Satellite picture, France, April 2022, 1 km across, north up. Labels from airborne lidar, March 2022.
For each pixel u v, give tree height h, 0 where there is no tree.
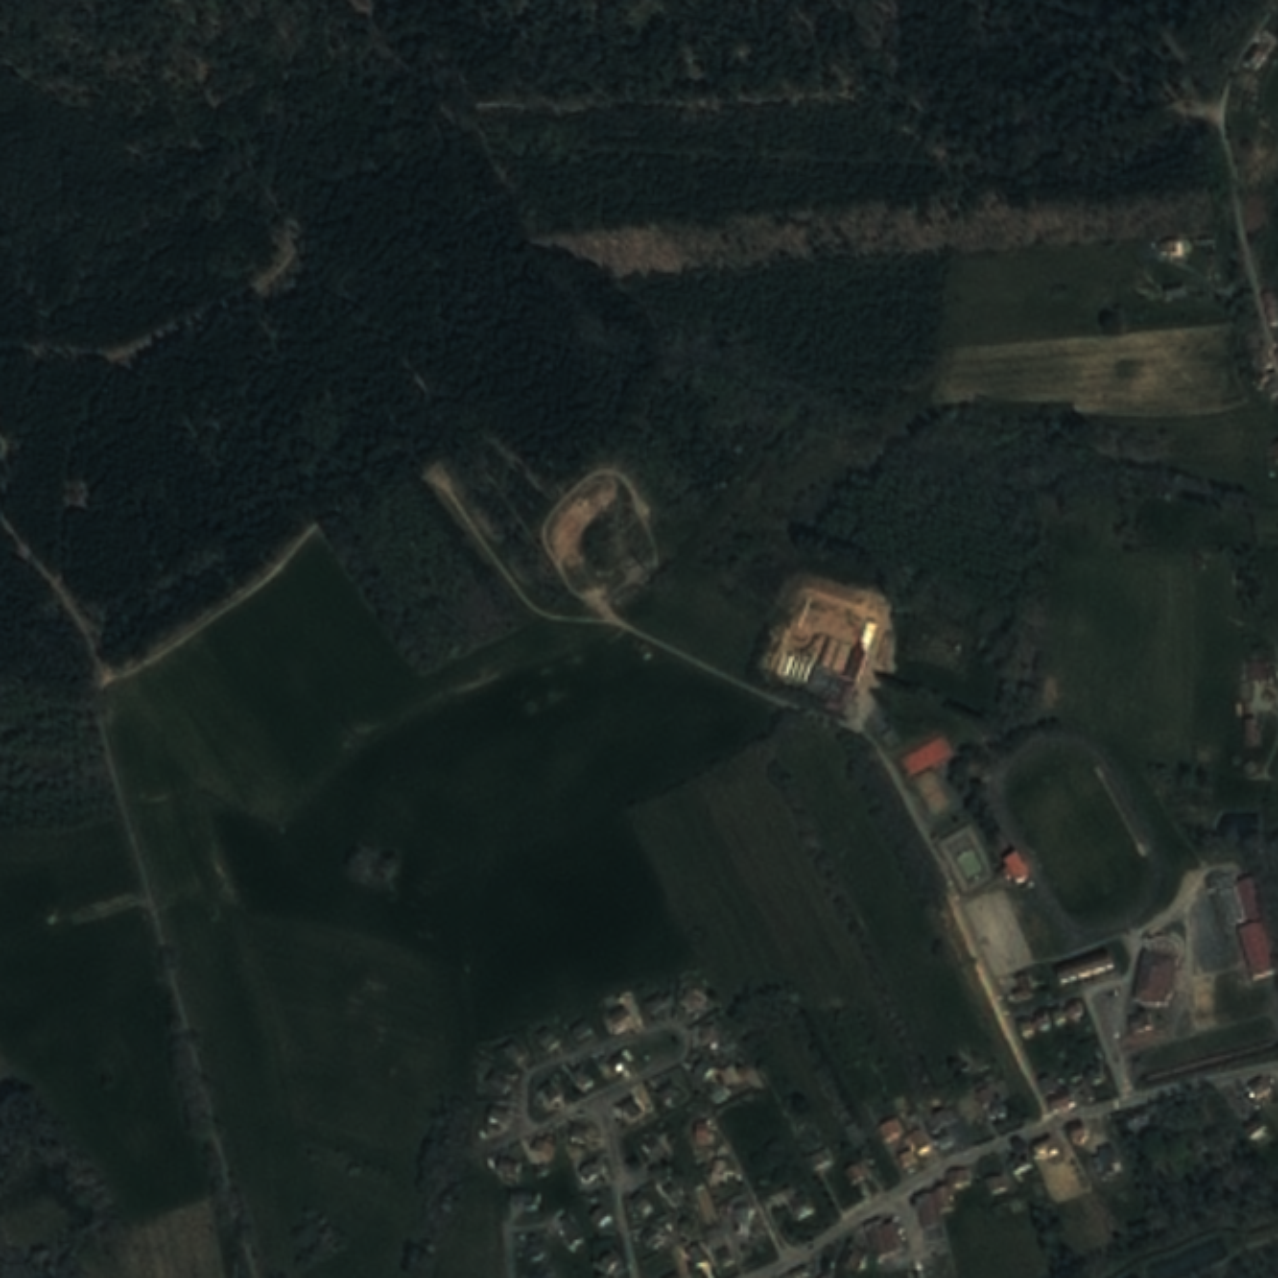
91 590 13
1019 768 0
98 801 10
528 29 24
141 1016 0
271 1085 0
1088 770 0
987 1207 6
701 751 0
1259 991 0
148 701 0
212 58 24
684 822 0
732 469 11
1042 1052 0
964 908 0
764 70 26
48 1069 0
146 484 22
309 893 0
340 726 0
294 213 14
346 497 15
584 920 0
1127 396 0
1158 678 0
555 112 8
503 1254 0
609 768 0
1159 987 0
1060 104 31
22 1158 23
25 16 27
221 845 0
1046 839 0
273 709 0
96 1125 0
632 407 20
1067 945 0
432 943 0
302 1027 0
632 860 0
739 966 0
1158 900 0
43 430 13
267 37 22
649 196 10
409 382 21
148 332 13
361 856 15
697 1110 0
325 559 0
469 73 27
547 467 18
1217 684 0
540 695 0
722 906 0
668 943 0
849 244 8
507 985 0
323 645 0
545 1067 0
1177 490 21
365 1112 0
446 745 0
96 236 11
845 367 11
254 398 14
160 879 0
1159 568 0
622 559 0
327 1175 0
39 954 0
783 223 10
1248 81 0
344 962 0
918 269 8
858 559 24
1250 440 0
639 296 9
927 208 9
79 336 13
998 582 9
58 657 20
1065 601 0
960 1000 0
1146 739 0
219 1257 0
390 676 0
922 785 0
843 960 0
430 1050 0
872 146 7
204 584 19
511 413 21
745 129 9
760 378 15
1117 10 15
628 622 0
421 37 7
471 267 24
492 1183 0
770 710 0
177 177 13
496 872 0
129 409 19
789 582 0
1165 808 0
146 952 0
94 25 25
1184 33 27
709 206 10
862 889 0
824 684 0
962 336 0
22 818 12
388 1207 0
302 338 20
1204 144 15
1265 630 0
